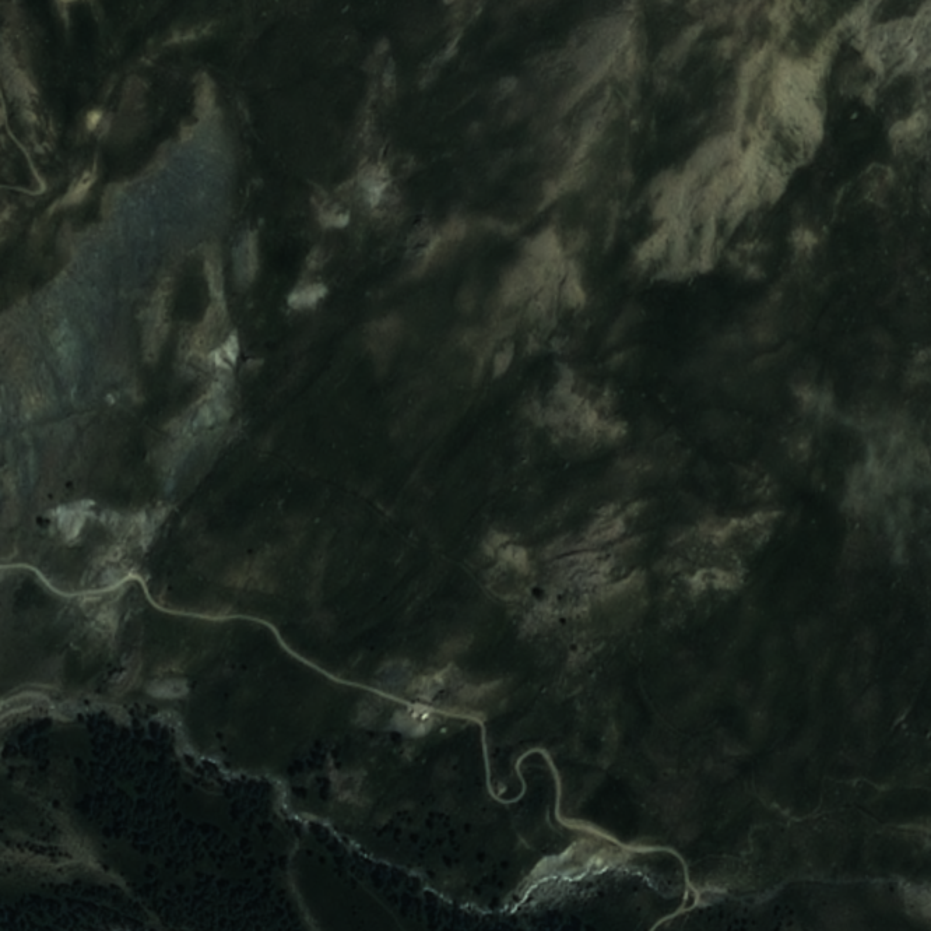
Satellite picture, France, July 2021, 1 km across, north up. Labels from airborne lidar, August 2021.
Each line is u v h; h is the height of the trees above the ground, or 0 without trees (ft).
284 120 0
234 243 0
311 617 0
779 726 0
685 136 0
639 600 0
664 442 0
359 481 0
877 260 0
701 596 0
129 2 0
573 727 0
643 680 0
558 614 0
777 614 0
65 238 0
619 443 0
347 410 0
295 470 0
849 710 0
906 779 0
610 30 0
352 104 0
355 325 0
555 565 0
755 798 0
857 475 0
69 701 0
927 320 0
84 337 0
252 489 0
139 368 0
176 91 0
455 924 73
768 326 0
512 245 0
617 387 0
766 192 0
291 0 0
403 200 0
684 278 0
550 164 0
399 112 0
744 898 0
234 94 0
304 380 0
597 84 0
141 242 0
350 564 0
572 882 0
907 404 0
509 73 0
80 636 0
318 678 0
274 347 0
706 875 0
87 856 0
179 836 72
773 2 0
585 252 0
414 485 0
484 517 0
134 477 0
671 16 0
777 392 0
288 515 0
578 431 0
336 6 0
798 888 0
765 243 0
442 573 0
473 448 0
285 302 0
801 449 0
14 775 20
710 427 0
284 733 0
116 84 0
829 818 0
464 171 0
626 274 0
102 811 64
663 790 0
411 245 0
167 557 0
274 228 0
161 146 0
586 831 0
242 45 0
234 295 0
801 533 0
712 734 0
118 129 0
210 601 0
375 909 0
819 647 0
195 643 0
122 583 0
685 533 0
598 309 0
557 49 0
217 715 0
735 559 0
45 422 0
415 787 0
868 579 0
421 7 0
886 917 0
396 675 0
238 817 63
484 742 0
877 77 0
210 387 0
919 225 0
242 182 0
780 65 0
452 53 0
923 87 0
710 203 0
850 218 0
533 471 0
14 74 0
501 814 0
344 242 0
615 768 0
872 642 0
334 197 0
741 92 0
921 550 0
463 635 0
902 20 0
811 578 0
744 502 0
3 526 0
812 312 0
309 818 0
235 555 0
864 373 0
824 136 0
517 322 0
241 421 0
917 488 0
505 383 0
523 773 0
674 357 0
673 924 0
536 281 0
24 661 0
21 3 0
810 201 0
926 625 0
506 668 0
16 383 0
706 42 0
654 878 0
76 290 0
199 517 0
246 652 0
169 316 0
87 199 0
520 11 0
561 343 0
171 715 0
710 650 0
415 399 0
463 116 0
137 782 58
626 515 0
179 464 0
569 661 0
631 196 0
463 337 0
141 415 0
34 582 0
